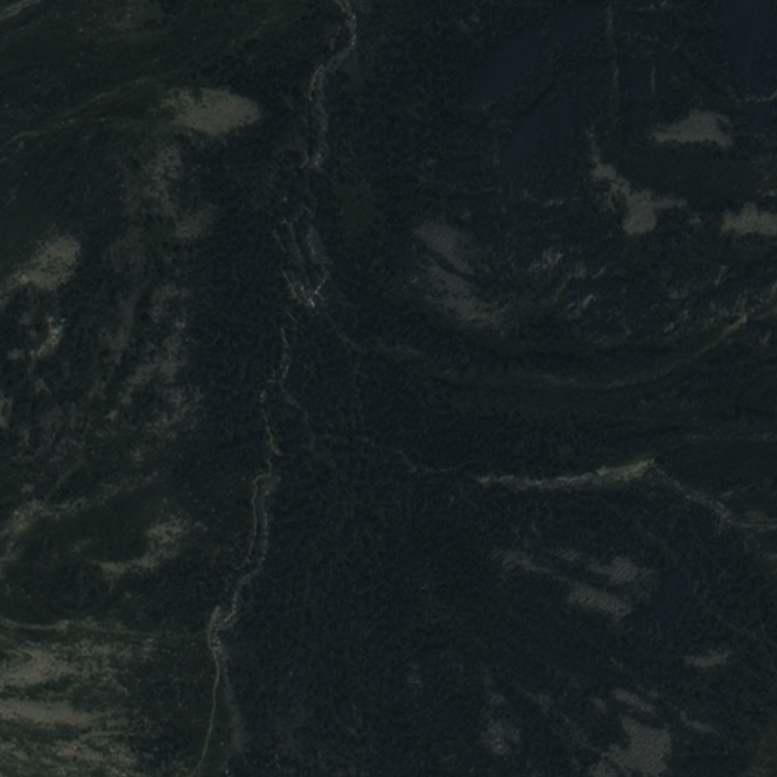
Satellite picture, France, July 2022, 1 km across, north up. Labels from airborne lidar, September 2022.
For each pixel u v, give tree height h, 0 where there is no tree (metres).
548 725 6
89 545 0
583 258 6
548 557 8
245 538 10
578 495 9
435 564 8
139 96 0
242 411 8
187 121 0
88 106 0
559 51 13
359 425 10
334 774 9
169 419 7
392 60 16
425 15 7
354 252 7
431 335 13
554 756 6
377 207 8
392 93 10
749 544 0
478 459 13
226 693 0
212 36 0
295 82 9
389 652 10
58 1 0
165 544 0
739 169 0
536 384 0
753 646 7
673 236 6
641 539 7
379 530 17
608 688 6
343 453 17
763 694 6
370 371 9
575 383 0
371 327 19
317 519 18
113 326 10
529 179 7
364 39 8
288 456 21
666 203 0
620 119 0
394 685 10
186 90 0
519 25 14
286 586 26
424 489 19
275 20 0
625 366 7
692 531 8
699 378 6
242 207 8
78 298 10
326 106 15
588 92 7
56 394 8
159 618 8
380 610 23
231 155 8
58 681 0
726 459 0
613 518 9
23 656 0
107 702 0
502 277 10
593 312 9
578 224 10
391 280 6
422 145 29
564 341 9
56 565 0
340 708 12
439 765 9
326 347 9
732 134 0
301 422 26
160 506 0
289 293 12
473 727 8
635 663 6
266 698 11
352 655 9
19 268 0
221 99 0
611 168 0
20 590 0
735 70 8
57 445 11
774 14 10
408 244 9
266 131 15
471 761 8
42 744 0
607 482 0
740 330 0
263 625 8
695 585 7
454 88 16
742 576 9
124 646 0
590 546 8
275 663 7
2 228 0
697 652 8
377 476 22
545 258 8
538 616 8
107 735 0
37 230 0
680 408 0
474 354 9
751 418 8
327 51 13
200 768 0
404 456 8
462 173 7
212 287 6
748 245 6
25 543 0
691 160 0
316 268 15
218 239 11
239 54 8
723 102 0
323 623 13
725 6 6
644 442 7
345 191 0
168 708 0
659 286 8
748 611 9
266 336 10
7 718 0
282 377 12
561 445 14
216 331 27
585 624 10
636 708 0
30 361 12
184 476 6
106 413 7
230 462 8
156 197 0
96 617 0
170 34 0
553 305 0
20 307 6
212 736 0
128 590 0
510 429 12
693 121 0
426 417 12
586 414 0
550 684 10
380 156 9
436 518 10
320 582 12
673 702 0
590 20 27
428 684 16
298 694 8
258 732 9
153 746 6
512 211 7
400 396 8
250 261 15
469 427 17
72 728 0
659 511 6
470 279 15
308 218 12
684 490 0
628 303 8
